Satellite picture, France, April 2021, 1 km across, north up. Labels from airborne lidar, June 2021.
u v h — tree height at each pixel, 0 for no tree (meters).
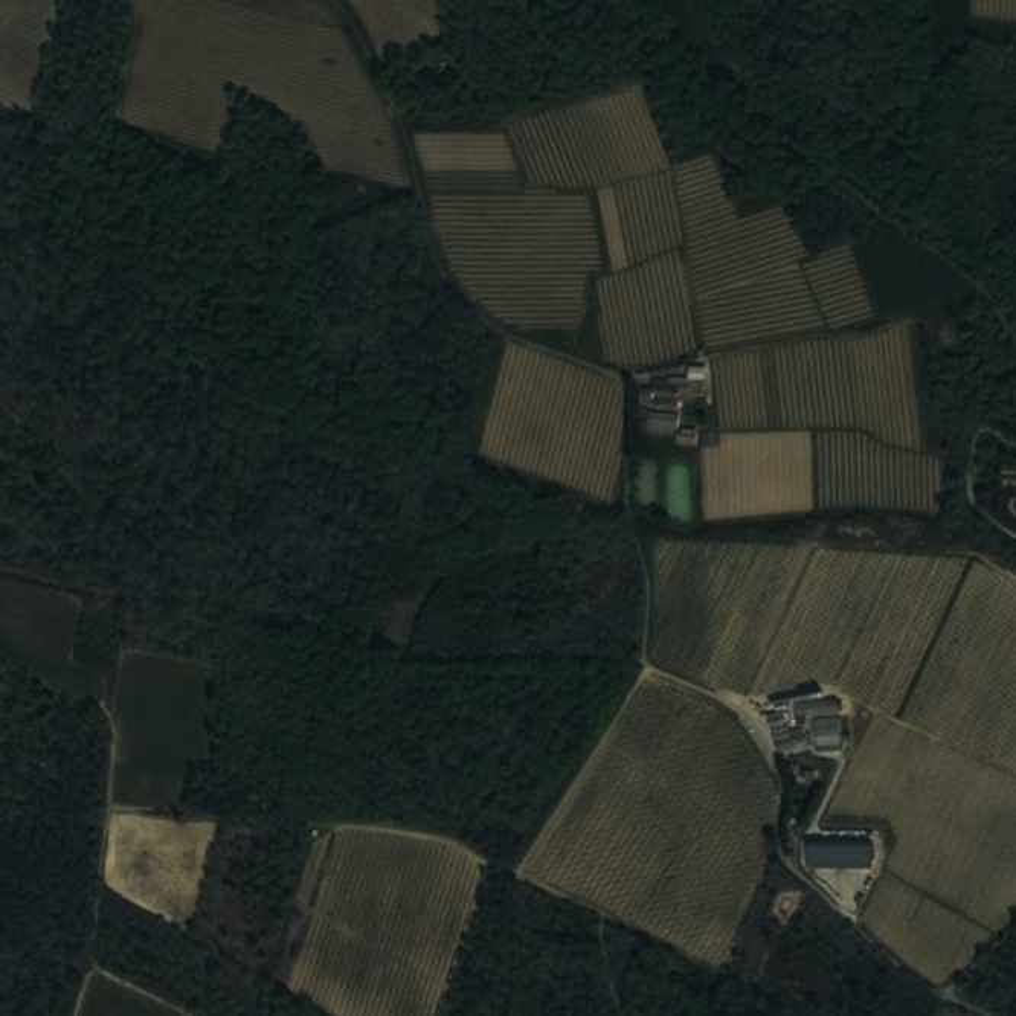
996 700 0
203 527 21
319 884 0
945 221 20
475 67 19
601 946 18
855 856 0
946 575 0
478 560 8
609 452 0
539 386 0
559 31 17
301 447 28
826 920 9
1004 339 14
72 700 17
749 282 0
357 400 30
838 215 22
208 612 15
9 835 19
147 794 0
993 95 13
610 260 0
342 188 0
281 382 31
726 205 0
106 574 23
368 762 20
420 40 0
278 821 16
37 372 18
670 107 19
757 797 0
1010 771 0
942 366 8
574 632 19
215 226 18
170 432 27
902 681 0
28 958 16
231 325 26
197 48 0
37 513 19
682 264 0
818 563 0
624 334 0
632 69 9
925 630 0
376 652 17
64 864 20
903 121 21
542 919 15
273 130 16
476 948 11
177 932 13
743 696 0
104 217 18
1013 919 0
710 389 0
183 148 0
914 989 19
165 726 0
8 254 13
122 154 23
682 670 0
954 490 6
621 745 0
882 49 18
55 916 19
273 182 26
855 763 0
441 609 11
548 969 21
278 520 10
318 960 0
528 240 0
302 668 21
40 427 15
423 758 20
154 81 0
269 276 25
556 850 0
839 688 0
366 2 0
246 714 18
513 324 0
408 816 14
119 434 19
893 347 0
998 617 0
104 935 9
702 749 0
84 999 0
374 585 22
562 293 0
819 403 0
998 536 9
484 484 20
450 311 18
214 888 9
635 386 16
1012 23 0
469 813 14
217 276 31
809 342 0
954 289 14
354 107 0
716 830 0
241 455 28
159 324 17
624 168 0
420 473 19
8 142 14
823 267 0
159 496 21
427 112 23
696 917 0
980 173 15
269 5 0
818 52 20
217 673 16
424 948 0
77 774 21
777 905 11
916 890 0
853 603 0
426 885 0
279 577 6
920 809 0
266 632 22
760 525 0
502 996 13
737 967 8
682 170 0
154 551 26
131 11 19
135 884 0
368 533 18
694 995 20
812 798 12
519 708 24
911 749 0
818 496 0
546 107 0
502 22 21
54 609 0
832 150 28
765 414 0
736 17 22
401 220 16
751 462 0
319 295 21
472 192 0
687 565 0
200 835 0
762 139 23
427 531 18
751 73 20
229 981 10
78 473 27
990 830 0
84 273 22
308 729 17
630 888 0
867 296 0
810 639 0
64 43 23
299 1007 21
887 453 0
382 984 0
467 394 27
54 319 17
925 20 18
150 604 16
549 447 0
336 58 0
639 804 0
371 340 18
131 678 0
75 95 18
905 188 29
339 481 15
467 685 19
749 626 0
